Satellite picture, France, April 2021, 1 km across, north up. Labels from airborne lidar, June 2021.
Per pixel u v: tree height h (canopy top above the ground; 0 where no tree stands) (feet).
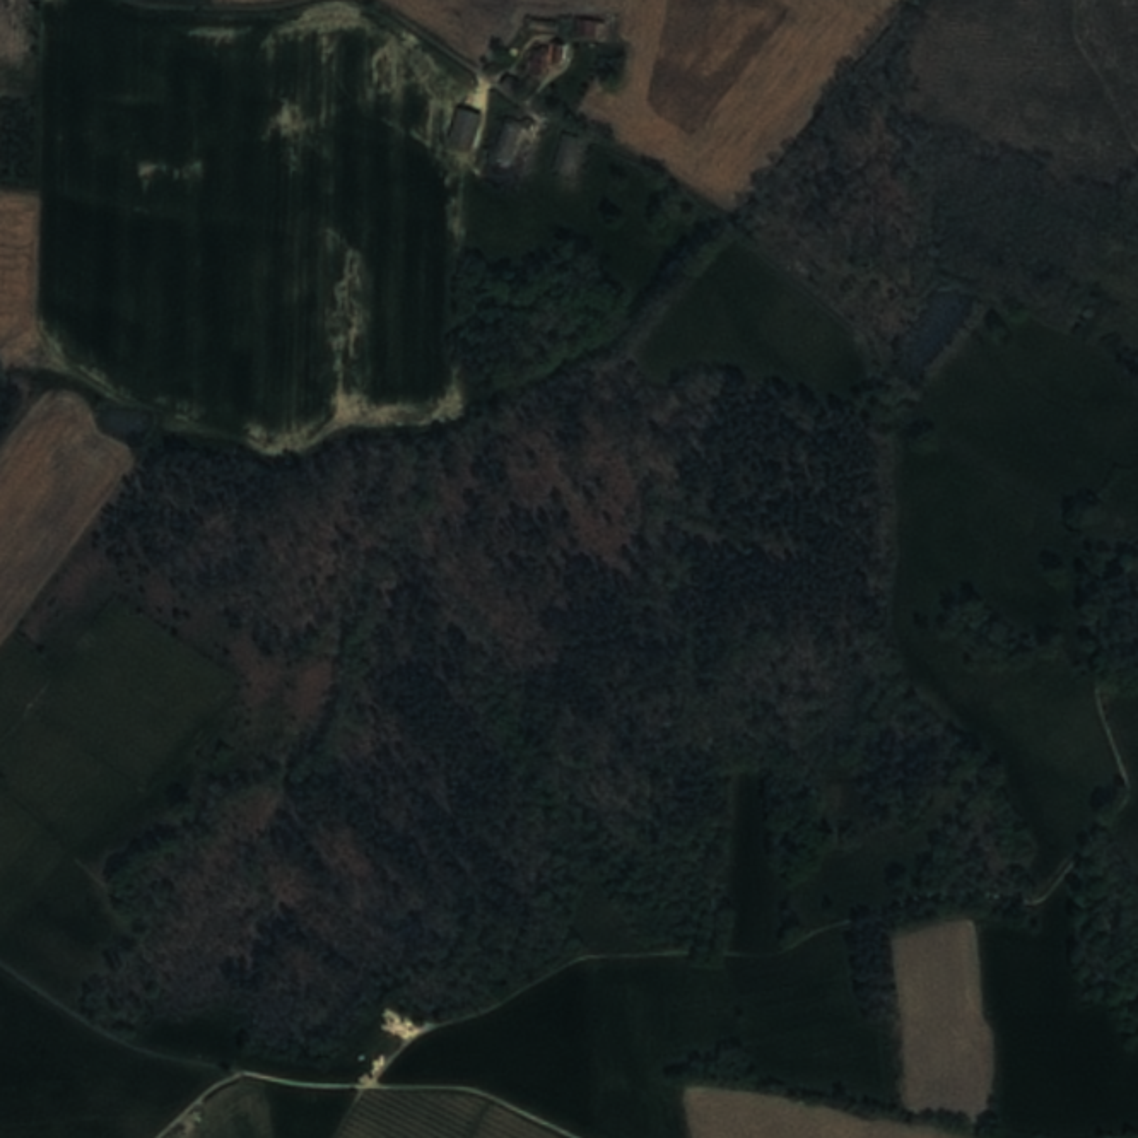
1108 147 0
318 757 67
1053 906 0
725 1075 37
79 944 0
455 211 0
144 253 0
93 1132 0
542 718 46
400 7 0
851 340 0
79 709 0
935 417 0
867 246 50
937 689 0
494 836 43
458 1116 0
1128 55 0
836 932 0
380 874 72
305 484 57
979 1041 0
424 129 0
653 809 24
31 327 0
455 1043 0
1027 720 0
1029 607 0
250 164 0
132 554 27
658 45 0
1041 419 0
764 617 62
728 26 0
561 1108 0
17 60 0
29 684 0
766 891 0
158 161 0
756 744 56
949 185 41
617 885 37
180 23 0
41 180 0
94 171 0
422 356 0
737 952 0
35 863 0
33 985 0
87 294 0
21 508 0
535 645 30
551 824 64
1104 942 55
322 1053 42
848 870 0
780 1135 0
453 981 28
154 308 0
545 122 0
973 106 0
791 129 0
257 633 37
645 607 25
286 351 0
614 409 35
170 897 28
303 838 82
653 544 30
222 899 34
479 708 39
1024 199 47
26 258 0
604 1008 0
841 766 31
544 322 67
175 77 0
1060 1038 0
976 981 0
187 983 34
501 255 0
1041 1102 0
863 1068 0
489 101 0
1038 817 0
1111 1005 41
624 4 0
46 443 0
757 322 0
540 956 28
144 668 0
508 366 73
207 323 0
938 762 72
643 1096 0
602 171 0
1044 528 0
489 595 22
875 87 60
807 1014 0
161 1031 0
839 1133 0
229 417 0
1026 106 0
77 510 0
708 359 0
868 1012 36
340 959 50
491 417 63
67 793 0
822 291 42
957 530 0
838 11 0
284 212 0
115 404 0
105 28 0
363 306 0
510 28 0
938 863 38
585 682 34
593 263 83
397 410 0
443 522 21
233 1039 0
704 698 33
